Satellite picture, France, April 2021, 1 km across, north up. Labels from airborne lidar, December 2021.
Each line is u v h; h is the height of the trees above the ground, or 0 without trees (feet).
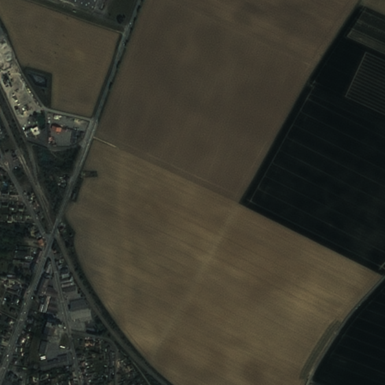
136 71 0
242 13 0
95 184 0
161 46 0
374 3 0
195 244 0
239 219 0
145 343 0
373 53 0
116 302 0
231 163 0
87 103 0
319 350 0
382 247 0
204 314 0
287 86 0
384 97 0
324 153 0
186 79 0
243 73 0
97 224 0
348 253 0
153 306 0
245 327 0
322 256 0
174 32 0
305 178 0
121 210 0
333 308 0
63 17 0
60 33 0
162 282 0
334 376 0
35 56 0
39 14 0
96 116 0
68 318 0
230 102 0
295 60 0
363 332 0
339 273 0
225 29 0
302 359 0
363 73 0
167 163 0
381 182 0
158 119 0
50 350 0
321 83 0
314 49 0
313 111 0
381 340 0
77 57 0
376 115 0
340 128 0
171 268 0
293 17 0
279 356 0
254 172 0
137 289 0
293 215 0
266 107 0
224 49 0
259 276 0
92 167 0
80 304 0
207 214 0
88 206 0
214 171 0
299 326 0
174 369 0
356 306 0
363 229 0
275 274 0
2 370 0
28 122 0
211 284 0
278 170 0
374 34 0
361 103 0
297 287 0
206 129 0
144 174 0
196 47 0
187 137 0
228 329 0
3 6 0
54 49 0
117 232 0
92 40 0
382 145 0
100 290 0
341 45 0
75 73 0
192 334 0
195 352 0
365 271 0
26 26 0
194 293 0
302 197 0
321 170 0
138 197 0
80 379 0
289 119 0
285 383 0
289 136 0
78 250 0
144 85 0
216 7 0
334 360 0
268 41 0
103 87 0
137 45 0
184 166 0
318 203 0
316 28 0
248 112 0
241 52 0
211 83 0
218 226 0
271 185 0
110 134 0
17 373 0
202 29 0
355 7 0
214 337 0
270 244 0
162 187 0
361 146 0
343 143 0
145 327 0
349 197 0
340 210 0
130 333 0
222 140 0
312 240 0
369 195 0
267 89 0
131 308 0
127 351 0
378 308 0
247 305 0
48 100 0
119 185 0
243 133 0
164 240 0
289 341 0
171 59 0
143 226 0
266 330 0
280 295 0
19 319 0
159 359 0
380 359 0
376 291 0
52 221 0
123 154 0
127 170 0
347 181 0
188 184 0
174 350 0
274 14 0
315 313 0
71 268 0
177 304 0
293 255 0
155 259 0
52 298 0
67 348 0
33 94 0
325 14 0
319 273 0
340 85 0
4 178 32
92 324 0
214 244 0
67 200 0
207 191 0
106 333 39
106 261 0
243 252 0
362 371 0
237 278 0
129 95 0
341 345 0
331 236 0
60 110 0
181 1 0
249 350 0
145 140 0
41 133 0
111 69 0
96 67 0
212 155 0
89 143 0
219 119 0
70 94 0
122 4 0
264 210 0
